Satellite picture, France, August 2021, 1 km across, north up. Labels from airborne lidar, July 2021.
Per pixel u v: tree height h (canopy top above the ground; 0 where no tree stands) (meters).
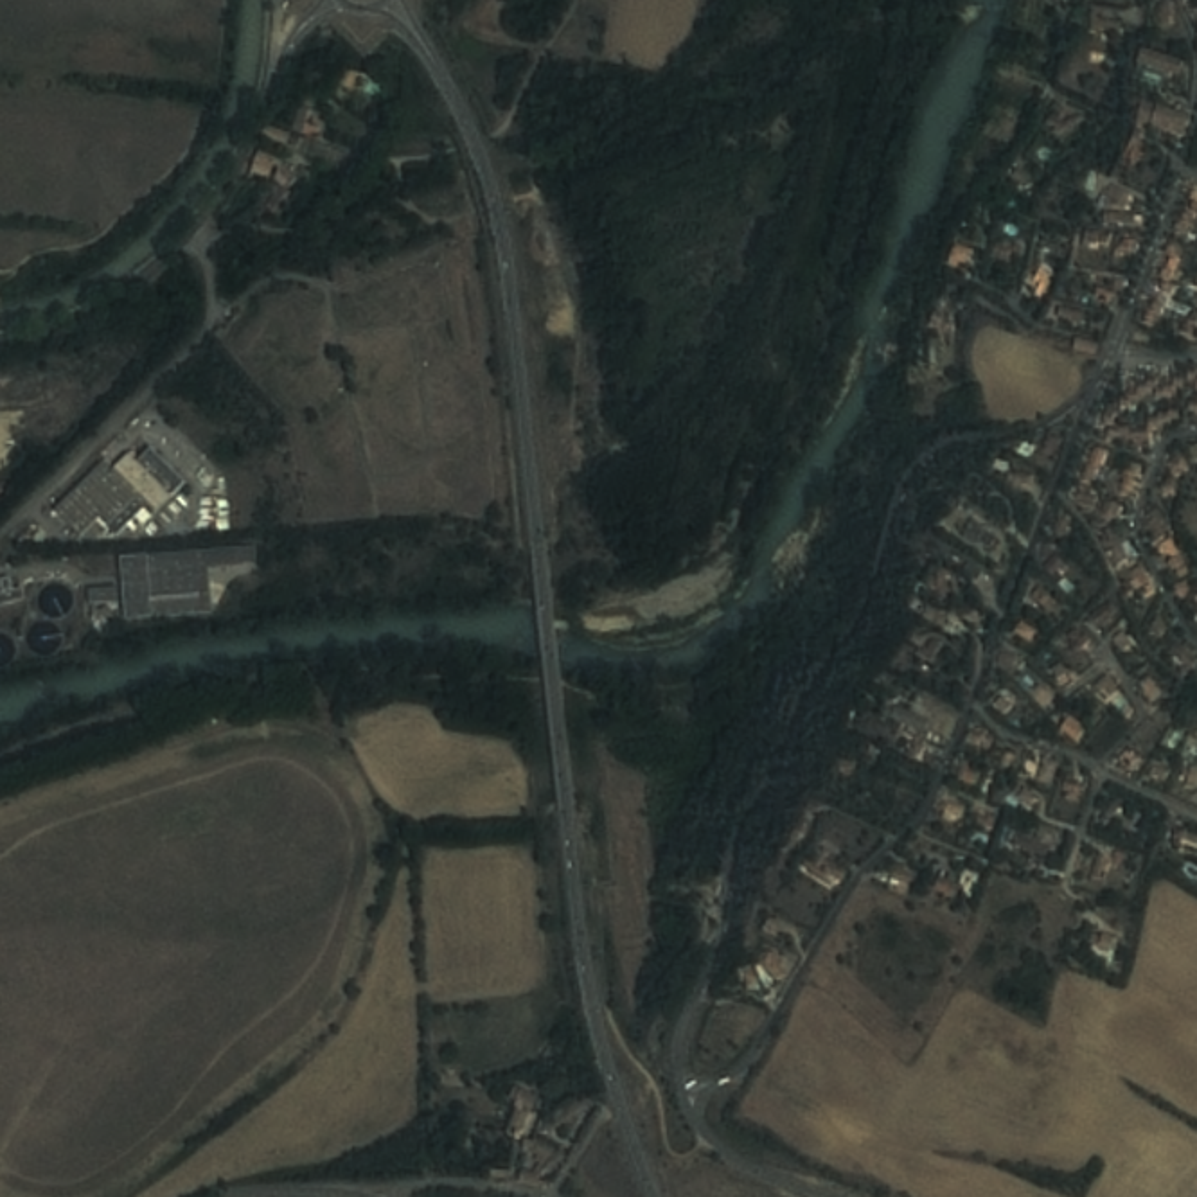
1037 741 6
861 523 7
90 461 0
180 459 0
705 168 7
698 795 12
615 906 0
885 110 13
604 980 0
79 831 0
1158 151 7
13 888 0
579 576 8
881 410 13
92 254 11
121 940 0
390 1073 0
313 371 0
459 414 0
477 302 0
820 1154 0
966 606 10
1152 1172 0
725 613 0
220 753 0
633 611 0
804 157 17
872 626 13
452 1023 0
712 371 11
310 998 0
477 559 10
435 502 0
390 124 24
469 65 0
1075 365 0
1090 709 9
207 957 0
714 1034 0
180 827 0
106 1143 0
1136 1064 0
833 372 11
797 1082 0
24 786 26
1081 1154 0
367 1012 0
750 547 6
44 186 0
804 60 16
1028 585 10
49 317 11
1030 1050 0
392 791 0
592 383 0
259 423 7
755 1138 6
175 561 0
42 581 0
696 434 17
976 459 7
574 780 0
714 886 0
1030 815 6
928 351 7
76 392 0
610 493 23
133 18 0
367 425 0
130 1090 0
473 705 15
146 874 0
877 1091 0
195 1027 0
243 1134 0
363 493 0
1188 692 10
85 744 25
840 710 6
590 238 13
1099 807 8
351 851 0
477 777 0
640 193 7
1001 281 12
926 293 9
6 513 11
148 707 25
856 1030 0
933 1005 0
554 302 0
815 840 7
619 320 21
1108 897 12
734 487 8
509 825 13
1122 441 7
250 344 0
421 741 0
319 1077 0
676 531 18
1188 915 0
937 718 0
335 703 10
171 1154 0
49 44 0
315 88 8
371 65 17
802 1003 0
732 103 8
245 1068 0
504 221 0
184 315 9
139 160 0
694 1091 0
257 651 0
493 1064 0
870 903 0
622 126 14
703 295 8
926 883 11
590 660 0
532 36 7
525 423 0
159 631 6
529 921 0
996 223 8
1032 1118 0
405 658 20
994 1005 0
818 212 0
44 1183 0
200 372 9
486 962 0
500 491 0
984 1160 7
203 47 0
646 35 0
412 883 7
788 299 6
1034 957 10
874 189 16
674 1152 0
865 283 22
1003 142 6
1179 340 9
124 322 20
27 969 0
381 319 0
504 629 0
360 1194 0
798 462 17
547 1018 0
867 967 0
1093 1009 0
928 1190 0
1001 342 0
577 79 16
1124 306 8
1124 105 9
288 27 0
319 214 21
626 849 0
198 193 12
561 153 28
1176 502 9
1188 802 0
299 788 0
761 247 21
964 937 0
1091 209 8
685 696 0
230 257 13
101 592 0
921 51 22
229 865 0
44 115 0
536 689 0
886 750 11
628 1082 0
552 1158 0
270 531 9
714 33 19
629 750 7
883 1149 0
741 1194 0
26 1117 0
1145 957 0
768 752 12
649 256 6
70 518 0
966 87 0
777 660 14
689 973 9
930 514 6
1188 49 10
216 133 20
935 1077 0
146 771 0
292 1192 0
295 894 0
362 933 0
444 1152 17
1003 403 0
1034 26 0
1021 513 7
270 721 19
